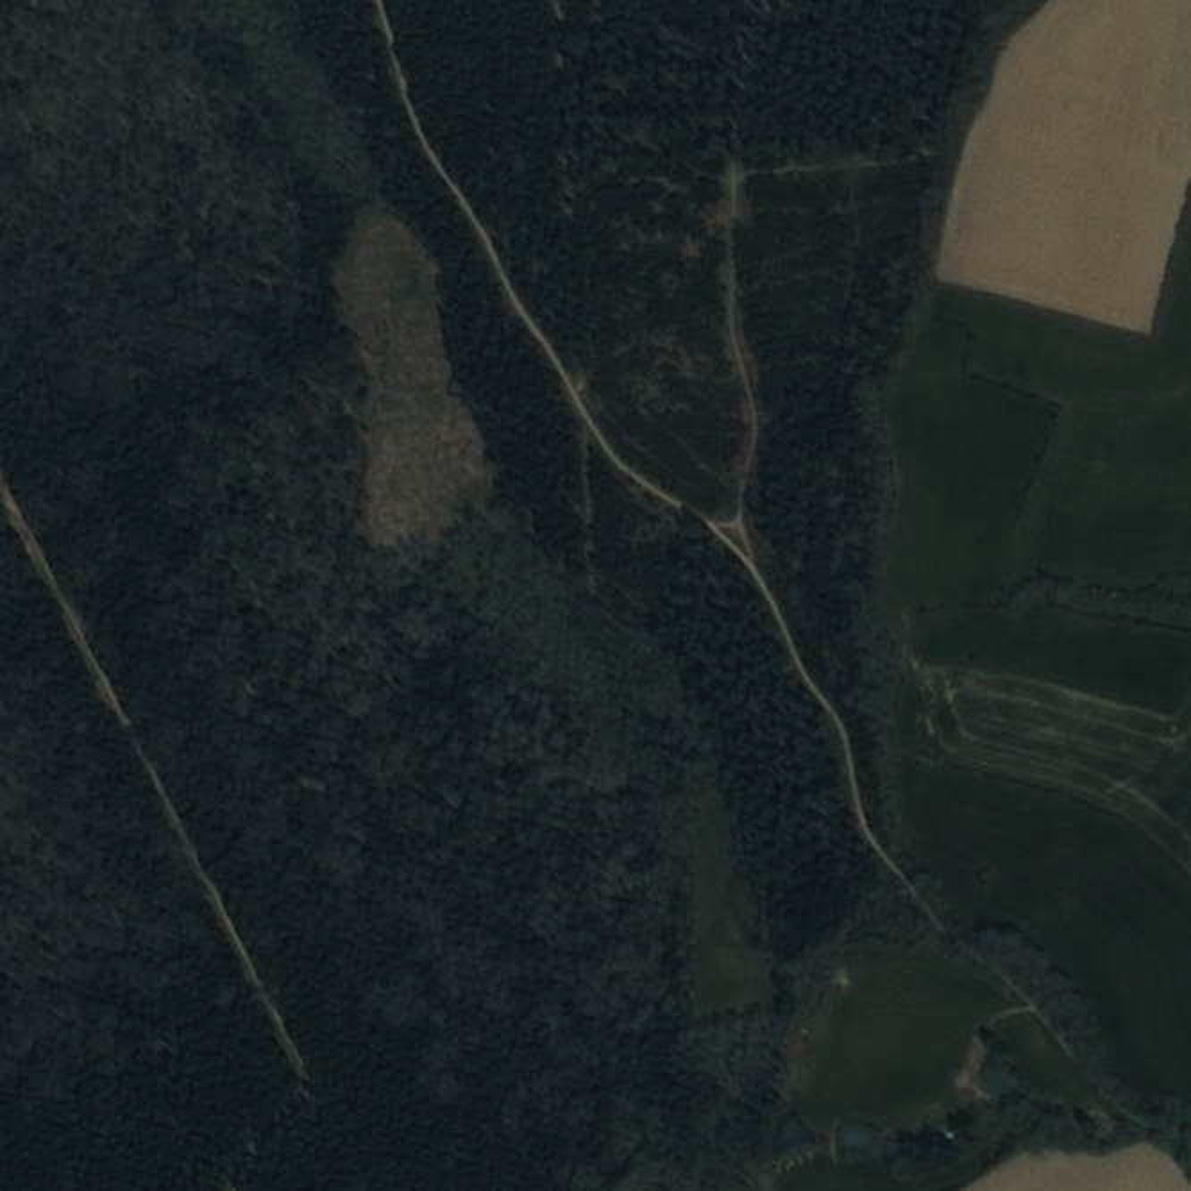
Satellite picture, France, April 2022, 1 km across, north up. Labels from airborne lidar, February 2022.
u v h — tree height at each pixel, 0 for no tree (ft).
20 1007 83
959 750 0
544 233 68
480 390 88
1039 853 0
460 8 77
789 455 41
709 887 0
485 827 94
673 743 90
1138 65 0
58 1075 80
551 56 87
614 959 64
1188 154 0
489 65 54
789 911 45
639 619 23
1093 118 0
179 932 74
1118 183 0
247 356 83
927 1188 0
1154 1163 0
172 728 73
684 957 77
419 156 70
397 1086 83
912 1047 0
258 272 61
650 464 26
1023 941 78
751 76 111
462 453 0
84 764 83
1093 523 0
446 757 77
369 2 83
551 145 82
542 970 71
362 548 51
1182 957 0
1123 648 0
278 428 91
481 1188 92
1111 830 0
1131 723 0
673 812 87
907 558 0
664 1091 71
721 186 31
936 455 0
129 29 80
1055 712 0
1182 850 0
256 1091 83
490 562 69
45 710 72
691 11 34
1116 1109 39
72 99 90
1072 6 0
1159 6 0
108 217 77
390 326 0
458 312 82
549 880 78
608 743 84
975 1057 0
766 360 19
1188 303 0
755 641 107
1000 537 0
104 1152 91
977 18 36
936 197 78
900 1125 0
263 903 79
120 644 72
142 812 81
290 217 86
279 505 67
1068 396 0
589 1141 76
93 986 76
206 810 90
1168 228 0
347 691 78
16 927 88
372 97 84
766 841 96
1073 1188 0
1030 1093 36
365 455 88
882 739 59
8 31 85
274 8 73
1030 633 0
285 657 78
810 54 99
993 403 0
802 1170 0
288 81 85
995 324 0
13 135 79
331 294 94
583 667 90
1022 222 0
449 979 85
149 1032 91
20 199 91
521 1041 66
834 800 104
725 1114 68
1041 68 0
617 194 27
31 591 59
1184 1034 0
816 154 109
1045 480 0
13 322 75
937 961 0
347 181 92
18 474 81
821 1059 0
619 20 35
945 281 0
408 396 0
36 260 83
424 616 77
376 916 69
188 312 94
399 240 0
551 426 69
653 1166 57
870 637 84
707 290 22
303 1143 92
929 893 80
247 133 67
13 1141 91
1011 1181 0
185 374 89
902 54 101
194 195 77
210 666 77
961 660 0
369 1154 97
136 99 73
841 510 76
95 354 84
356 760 48
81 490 57
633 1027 74
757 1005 0
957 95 66
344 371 91
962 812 0
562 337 58
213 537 79
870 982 0
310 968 96
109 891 83
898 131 118
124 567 76
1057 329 0
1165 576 26
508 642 79
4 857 45
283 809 78
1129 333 0
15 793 87
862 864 52
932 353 0
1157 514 0
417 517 0
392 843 55
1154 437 0
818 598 40
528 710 39
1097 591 27
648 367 21
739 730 100
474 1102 86
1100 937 0
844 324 20
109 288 29
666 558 27
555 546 74
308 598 60
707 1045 66
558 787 37
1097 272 0
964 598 0
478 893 77
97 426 86
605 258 38
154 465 83
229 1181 92
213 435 85
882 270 23
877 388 83
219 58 115
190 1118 99
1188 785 0
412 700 45
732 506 31
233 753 73
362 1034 92
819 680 31
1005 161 0
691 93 21
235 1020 89
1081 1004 84
